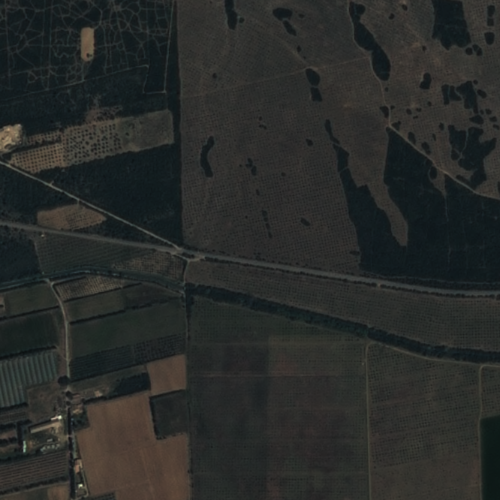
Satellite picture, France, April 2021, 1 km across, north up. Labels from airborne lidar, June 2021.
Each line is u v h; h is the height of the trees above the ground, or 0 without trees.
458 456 0
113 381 0
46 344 0
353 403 0
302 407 0
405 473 0
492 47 0
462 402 0
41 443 0
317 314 5
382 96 0
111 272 7
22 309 0
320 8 0
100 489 0
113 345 0
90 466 0
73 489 12
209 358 0
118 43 0
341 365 0
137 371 0
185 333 0
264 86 0
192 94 0
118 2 0
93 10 0
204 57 0
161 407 0
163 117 0
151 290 0
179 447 0
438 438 0
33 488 7
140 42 0
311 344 0
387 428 0
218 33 0
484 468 0
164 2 0
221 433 0
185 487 0
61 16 0
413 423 0
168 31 0
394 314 0
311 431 0
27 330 0
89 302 0
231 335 0
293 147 0
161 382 0
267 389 0
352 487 0
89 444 0
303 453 0
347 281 6
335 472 0
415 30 0
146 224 8
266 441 0
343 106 0
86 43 0
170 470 0
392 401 0
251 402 0
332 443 0
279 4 0
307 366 0
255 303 6
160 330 0
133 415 0
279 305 6
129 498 0
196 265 0
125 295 0
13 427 12
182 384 0
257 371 0
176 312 0
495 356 8
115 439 0
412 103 0
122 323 0
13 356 10
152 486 0
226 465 0
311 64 0
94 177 6
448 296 6
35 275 9
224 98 0
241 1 0
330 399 0
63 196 10
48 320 0
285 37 0
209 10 0
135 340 0
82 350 0
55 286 6
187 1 0
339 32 0
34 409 0
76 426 14
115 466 0
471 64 0
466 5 0
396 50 0
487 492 0
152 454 0
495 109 0
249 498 0
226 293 8
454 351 7
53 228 0
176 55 0
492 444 0
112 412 0
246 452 0
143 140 0
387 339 9
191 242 0
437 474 0
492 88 0
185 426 0
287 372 0
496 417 0
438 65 0
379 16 0
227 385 0
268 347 0
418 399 0
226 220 0
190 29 0
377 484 0
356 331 9
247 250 0
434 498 0
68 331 0
